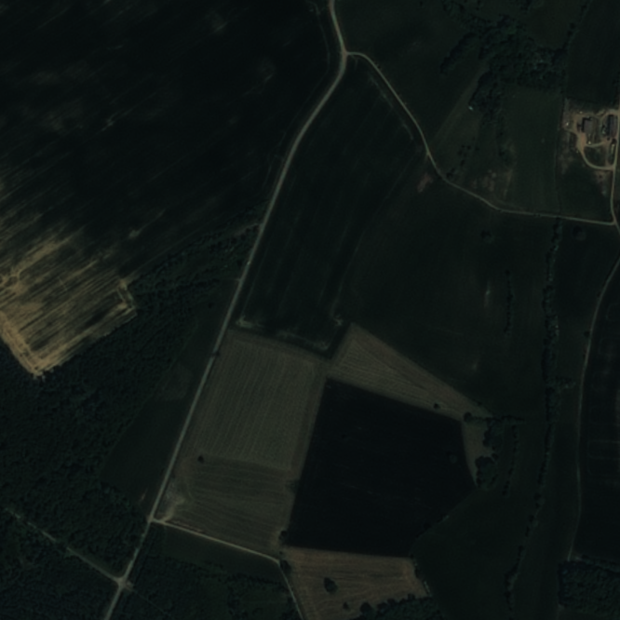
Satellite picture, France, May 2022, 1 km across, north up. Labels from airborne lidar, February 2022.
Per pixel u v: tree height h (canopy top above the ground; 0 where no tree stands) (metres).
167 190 0
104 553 13
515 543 0
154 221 0
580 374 0
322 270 0
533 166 0
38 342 0
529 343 0
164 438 0
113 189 0
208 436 0
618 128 0
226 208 0
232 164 0
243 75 0
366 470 0
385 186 0
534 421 0
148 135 0
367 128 0
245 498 0
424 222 0
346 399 0
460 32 0
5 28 0
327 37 0
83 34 0
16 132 0
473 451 0
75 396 34
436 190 0
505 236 0
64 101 0
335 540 0
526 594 0
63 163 0
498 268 0
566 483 0
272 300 0
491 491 0
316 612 0
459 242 0
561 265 0
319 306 0
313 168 0
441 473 0
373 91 0
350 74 0
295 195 0
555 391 14
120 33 0
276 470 0
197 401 0
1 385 28
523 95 0
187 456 0
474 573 0
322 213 0
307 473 0
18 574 15
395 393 0
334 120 0
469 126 0
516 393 0
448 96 0
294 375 0
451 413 0
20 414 28
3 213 0
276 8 0
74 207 0
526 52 13
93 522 26
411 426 0
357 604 0
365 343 0
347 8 0
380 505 0
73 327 0
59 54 0
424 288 0
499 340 0
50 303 0
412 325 0
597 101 0
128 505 7
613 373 0
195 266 0
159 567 9
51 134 0
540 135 0
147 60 0
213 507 0
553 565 0
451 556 0
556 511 0
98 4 0
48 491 26
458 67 0
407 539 0
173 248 0
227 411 0
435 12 0
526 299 0
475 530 0
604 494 0
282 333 0
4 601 12
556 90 18
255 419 0
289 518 0
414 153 0
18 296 0
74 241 0
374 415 0
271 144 0
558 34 0
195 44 0
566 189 0
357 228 0
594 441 0
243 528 0
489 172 0
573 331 0
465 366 0
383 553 0
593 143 0
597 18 0
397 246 0
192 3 0
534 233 0
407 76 0
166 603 11
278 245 0
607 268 0
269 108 0
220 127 0
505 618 0
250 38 0
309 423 0
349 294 0
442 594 0
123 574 0
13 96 0
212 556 0
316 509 0
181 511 0
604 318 0
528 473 0
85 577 11
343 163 0
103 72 0
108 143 0
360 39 0
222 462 0
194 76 0
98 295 0
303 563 0
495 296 0
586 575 29
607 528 0
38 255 0
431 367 0
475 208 0
